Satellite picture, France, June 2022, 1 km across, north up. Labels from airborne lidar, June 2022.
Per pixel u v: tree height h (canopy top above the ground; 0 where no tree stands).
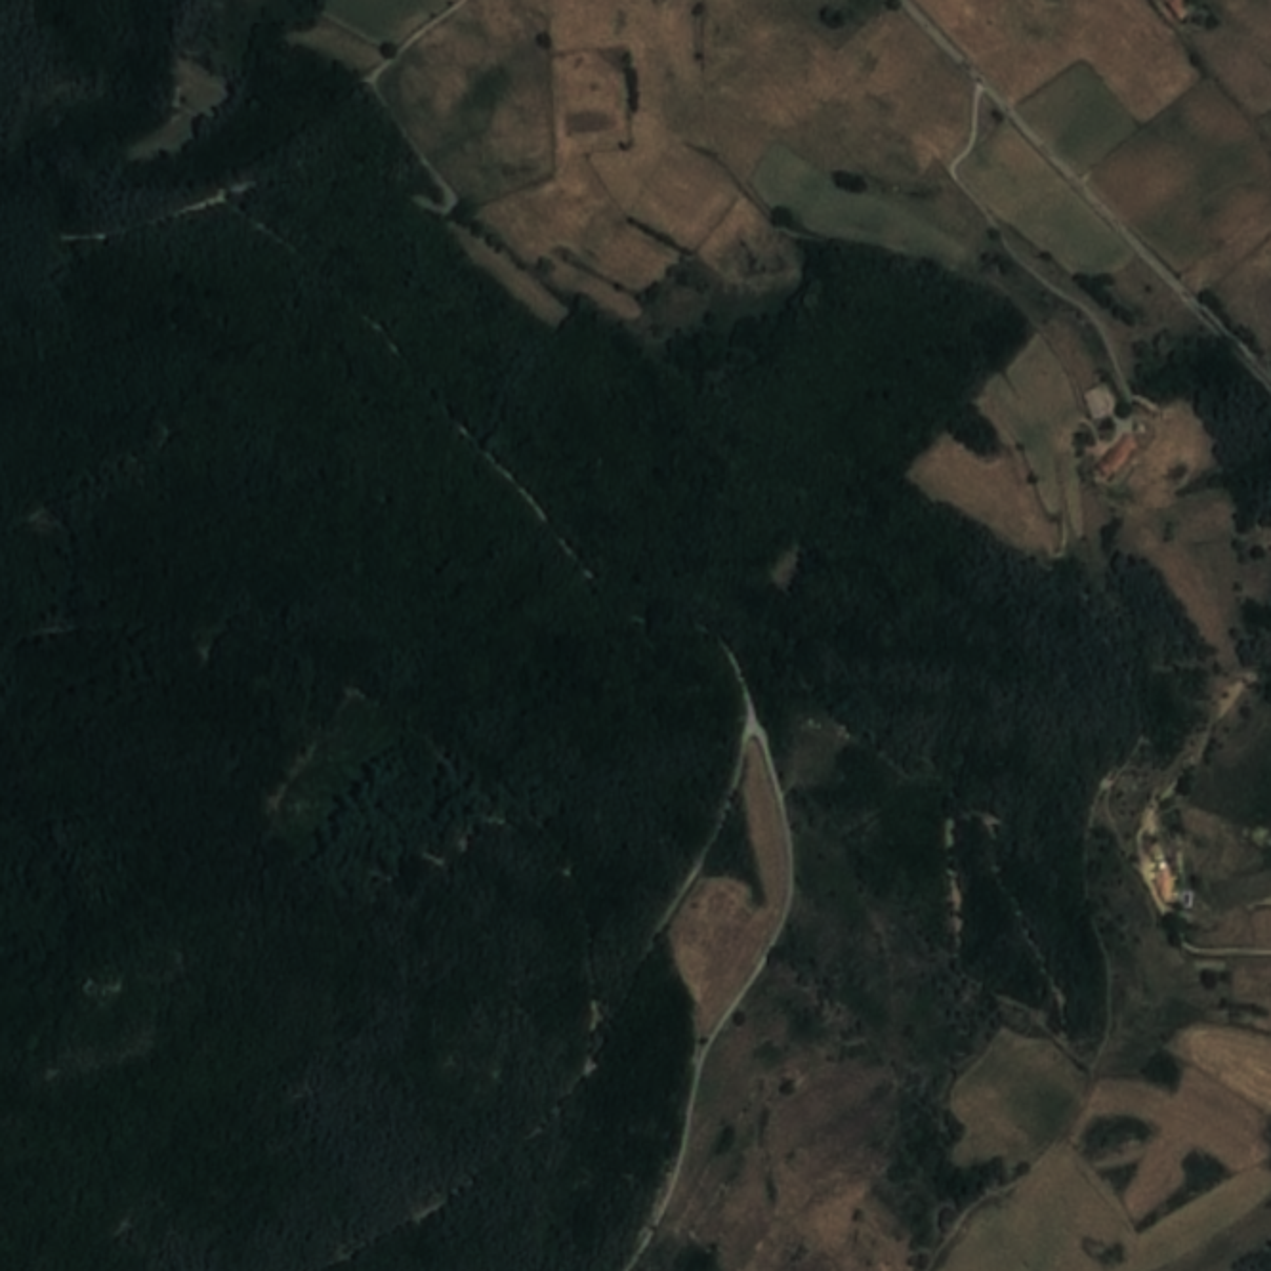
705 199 0
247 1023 10
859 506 14
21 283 23
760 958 0
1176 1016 0
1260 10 0
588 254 0
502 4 0
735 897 0
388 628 14
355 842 27
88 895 12
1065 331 0
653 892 17
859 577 16
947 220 0
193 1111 10
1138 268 0
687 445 18
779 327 13
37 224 27
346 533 16
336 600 16
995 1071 0
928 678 16
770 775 0
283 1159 11
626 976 14
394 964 14
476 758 19
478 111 0
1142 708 6
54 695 10
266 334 15
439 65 0
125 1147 14
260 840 19
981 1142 0
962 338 10
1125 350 0
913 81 0
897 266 16
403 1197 15
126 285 13
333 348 10
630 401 14
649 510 16
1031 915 11
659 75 0
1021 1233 0
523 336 13
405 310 15
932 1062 0
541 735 21
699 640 12
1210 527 0
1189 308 0
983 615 18
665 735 13
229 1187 12
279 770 13
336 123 13
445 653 17
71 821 8
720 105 0
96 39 7
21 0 19
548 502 18
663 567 18
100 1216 8
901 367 13
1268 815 0
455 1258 19
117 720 10
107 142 19
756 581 15
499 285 10
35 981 11
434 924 15
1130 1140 0
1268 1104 0
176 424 17
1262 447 16
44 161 20
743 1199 0
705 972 0
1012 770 11
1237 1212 0
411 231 14
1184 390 7
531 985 13
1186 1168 0
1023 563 7
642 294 7
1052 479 0
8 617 8
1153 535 0
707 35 0
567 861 13
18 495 8
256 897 10
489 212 0
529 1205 13
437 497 10
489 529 12
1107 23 0
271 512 16
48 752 13
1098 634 13
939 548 15
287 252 20
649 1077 14
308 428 17
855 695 14
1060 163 0
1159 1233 0
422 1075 18
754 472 17
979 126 0
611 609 15
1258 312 0
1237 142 0
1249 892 0
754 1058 0
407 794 22
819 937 0
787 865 0
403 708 19
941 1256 0
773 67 0
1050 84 0
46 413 11
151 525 12
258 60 7
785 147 0
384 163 15
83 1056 7
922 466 0
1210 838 0
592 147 0
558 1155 14
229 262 17
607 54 0
